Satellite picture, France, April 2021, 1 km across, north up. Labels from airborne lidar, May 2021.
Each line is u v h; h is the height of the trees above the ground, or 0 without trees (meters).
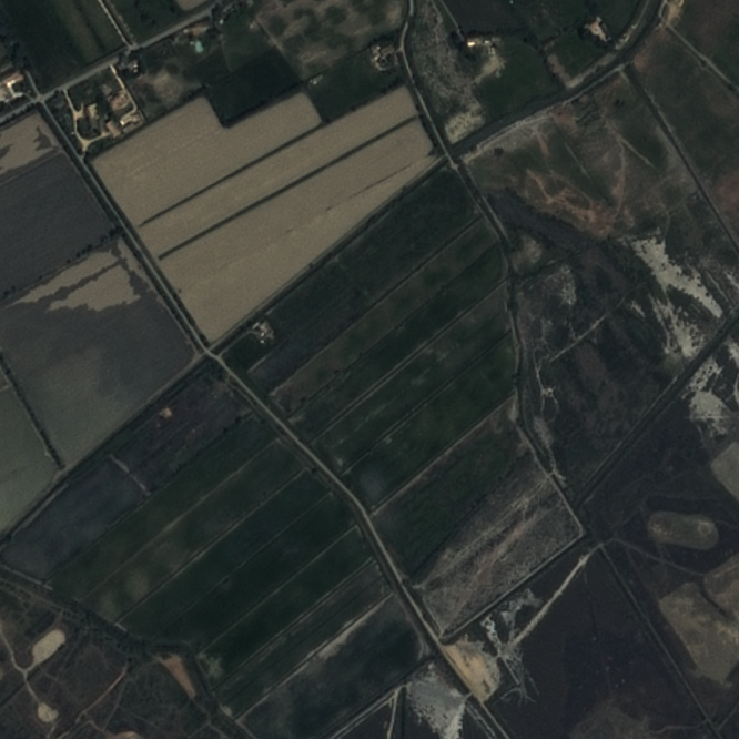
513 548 0
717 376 0
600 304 0
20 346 0
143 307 0
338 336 0
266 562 0
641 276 0
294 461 0
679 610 0
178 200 0
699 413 0
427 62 0
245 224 0
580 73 0
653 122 0
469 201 0
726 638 0
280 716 0
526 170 0
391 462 0
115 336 0
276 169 0
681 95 0
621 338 0
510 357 0
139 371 0
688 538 0
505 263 0
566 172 0
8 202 0
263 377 0
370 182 0
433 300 0
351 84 0
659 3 0
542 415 0
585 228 0
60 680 0
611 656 0
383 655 0
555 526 0
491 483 0
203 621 0
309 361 0
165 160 0
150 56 0
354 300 0
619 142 0
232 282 0
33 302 0
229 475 0
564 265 0
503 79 0
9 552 0
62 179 0
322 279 0
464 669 0
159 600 0
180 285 0
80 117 0
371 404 0
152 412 6
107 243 12
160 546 0
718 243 0
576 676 0
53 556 0
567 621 0
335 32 0
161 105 0
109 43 0
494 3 0
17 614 0
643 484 0
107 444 0
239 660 0
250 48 0
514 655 0
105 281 0
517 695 0
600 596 0
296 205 0
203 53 0
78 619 6
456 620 0
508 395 0
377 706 0
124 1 0
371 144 0
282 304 0
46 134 0
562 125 0
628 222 0
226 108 0
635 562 0
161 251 0
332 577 0
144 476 0
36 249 0
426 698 0
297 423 0
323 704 0
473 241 0
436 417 0
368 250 0
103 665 0
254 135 0
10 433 0
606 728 0
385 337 0
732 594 0
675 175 0
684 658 0
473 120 0
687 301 0
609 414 0
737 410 0
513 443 0
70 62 0
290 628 0
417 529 0
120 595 0
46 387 0
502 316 0
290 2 0
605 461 0
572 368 0
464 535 0
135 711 0
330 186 0
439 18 0
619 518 0
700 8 0
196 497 0
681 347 0
